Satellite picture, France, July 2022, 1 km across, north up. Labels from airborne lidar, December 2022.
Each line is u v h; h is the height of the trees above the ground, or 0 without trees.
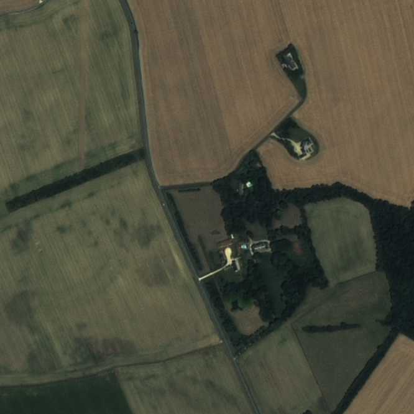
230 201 14
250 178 13
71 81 0
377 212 16
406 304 13
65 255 0
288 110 0
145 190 0
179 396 0
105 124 0
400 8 0
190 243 6
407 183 0
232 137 0
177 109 0
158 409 0
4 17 0
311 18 0
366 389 0
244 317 0
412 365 0
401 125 0
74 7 0
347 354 0
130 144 0
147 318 0
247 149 0
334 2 0
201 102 0
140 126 0
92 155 0
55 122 0
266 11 0
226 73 0
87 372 0
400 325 16
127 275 0
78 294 0
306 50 0
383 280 0
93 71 0
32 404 0
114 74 0
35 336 0
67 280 0
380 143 0
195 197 0
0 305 0
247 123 0
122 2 0
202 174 0
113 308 0
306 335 0
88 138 0
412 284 16
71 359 0
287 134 7
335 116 0
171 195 10
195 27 0
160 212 0
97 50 0
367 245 0
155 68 0
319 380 0
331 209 0
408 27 0
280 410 0
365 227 0
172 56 0
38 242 0
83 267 0
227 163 0
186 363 0
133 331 0
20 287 0
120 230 0
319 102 0
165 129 0
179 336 0
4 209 0
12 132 0
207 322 0
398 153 0
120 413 0
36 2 0
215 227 0
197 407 0
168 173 0
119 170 0
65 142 0
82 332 0
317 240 0
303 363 0
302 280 13
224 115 0
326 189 10
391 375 0
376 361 13
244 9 0
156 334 0
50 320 0
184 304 0
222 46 0
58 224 0
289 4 0
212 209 0
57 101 0
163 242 0
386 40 0
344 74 0
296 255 0
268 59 0
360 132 0
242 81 0
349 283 0
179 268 0
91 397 0
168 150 0
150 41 0
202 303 0
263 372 0
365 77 0
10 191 0
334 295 0
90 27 0
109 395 0
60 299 0
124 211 0
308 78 0
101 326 0
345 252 0
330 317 0
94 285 0
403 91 0
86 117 0
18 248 0
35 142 0
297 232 19
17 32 0
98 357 0
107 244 0
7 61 0
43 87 0
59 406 0
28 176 0
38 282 0
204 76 0
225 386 0
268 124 0
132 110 0
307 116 0
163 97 0
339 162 0
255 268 17
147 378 0
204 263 0
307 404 0
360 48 0
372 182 0
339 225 0
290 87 0
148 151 0
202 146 0
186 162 0
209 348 0
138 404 0
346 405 10
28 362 0
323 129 0
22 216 0
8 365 0
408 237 23
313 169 0
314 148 0
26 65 0
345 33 0
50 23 0
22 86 0
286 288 24
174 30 0
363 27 0
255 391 0
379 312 0
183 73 0
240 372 0
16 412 0
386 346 10
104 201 0
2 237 0
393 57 0
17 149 0
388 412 0
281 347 0
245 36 0
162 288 0
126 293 0
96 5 0
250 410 0
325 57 0
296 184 0
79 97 0
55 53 0
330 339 0
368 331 0
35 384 0
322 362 0
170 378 0
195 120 0
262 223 9
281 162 0
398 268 16
